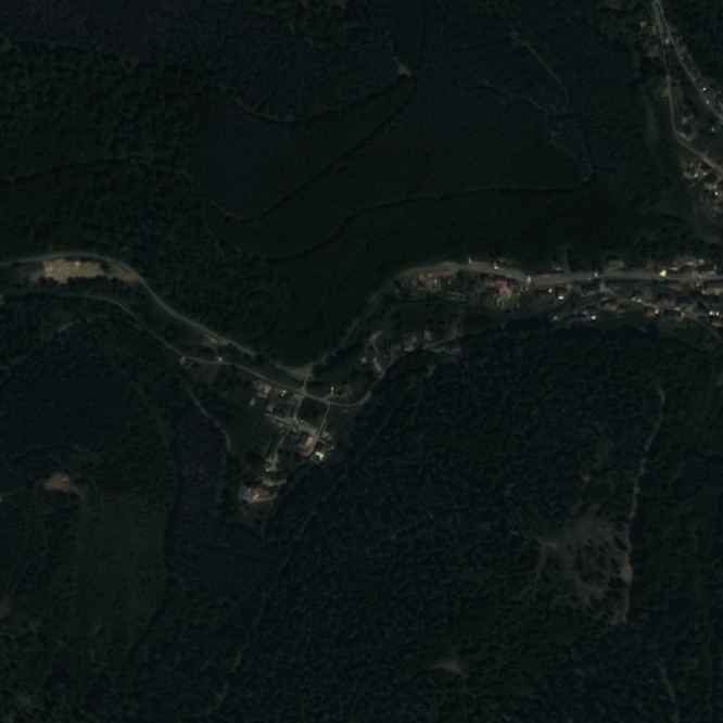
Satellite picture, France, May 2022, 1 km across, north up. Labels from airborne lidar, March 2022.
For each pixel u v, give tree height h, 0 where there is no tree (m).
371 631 30
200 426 33
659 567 11
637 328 0
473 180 21
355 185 14
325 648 28
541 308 0
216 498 24
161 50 27
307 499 19
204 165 14
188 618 15
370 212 16
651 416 13
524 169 18
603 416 17
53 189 14
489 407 22
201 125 15
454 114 20
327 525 10
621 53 32
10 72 33
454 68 19
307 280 13
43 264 0
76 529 12
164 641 17
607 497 19
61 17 30
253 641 8
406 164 12
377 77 24
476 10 25
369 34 29
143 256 35
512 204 17
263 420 0
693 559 23
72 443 13
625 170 18
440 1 22
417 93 20
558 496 14
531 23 28
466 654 12
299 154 18
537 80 22
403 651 30
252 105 15
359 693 25
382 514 32
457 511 33
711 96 0
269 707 29
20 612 10
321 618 31
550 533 0
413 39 20
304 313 10
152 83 17
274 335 30
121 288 17
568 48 27
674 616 31
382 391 18
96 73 16
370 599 9
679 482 27
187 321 0
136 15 30
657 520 19
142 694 37
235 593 31
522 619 10
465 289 0
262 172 17
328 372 19
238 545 33
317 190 16
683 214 0
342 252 16
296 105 21
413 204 16
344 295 11
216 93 19
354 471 13
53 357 12
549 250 16
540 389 22
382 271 29
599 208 18
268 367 22
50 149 14
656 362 25
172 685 33
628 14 10
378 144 18
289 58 25
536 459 11
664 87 0
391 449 8
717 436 0
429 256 19
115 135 32
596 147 21
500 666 9
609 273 0
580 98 22
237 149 19
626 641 33
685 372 22
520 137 19
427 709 24
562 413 11
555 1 27
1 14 26
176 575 30
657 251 20
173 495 6
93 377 14
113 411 11
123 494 11
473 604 7
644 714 13
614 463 13
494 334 9
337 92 23
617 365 17
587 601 0
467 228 12
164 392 10
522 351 29
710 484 20
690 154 0
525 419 33
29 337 20
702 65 14
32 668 21
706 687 22
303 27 29
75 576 14
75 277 0
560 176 14
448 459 17
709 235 0
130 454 6
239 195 21
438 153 18
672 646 11
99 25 33
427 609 24
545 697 45
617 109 21
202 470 26
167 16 32
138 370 13
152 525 0
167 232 33
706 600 14
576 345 23
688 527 24
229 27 28
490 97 20
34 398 10
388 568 9
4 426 11
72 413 10
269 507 0
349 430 0
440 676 7
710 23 25
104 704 46
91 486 11
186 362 0
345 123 19
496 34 26
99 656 9
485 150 20
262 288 32
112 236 25
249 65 26
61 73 30
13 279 0
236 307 13
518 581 7
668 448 19
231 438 0
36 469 15
